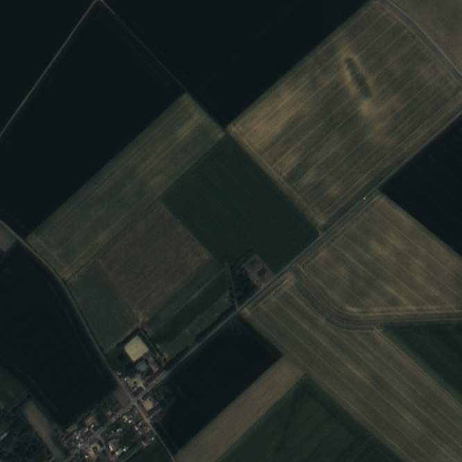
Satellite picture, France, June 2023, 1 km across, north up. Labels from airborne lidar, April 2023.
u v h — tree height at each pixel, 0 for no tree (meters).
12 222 0
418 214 0
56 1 0
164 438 0
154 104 0
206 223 0
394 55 0
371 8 0
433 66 0
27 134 0
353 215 0
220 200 0
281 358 0
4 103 0
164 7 0
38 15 0
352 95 0
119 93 0
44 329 0
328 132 0
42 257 0
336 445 0
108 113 0
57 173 0
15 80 0
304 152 0
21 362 0
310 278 0
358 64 0
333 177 0
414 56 0
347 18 0
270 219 0
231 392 0
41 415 0
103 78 0
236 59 0
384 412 0
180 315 0
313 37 0
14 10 0
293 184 0
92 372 0
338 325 0
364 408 0
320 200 0
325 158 0
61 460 0
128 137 0
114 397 0
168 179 0
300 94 0
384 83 0
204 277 0
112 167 0
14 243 0
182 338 0
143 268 0
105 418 0
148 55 0
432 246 0
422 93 0
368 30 0
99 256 0
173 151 0
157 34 0
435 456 0
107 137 0
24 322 0
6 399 0
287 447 0
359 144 0
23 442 6
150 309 0
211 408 0
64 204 0
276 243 0
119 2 0
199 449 0
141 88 0
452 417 0
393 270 0
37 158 0
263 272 0
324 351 0
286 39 0
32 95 0
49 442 0
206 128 0
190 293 0
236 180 0
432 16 0
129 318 0
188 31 0
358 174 0
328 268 0
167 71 0
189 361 0
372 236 0
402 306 0
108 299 0
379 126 0
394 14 0
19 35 0
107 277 0
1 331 0
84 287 0
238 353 0
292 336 0
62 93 0
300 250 0
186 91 0
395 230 0
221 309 0
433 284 0
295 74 0
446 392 0
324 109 0
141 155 0
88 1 0
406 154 0
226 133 0
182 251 0
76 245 0
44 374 0
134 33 0
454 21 0
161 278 0
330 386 0
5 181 0
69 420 0
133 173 0
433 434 0
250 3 0
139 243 0
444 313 0
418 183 0
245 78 0
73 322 0
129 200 0
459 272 0
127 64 0
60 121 0
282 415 0
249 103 0
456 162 0
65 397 0
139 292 0
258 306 0
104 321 0
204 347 0
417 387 0
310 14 0
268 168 0
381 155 0
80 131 0
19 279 0
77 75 0
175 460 0
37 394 0
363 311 0
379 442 0
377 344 0
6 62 0
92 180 0
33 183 0
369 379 0
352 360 0
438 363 0
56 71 0
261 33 0
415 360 0
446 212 0
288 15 0
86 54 0
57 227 0
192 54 0
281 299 0
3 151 0
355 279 0
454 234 0
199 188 0
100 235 0
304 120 0
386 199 0
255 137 0
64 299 0
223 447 0
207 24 0
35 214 0
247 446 0
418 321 0
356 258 0
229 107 0
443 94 0
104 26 0
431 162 0
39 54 0
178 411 0
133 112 0
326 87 0
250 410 0
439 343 0
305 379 0
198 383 0
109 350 0
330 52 0
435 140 0
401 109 0
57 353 0
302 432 0
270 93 0
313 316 0
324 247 0
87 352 0
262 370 0
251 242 0
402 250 0
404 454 0
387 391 0
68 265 0
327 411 0
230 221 0
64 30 0
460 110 0
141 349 0
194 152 0
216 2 0
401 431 0
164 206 0
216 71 0
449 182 0
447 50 0
